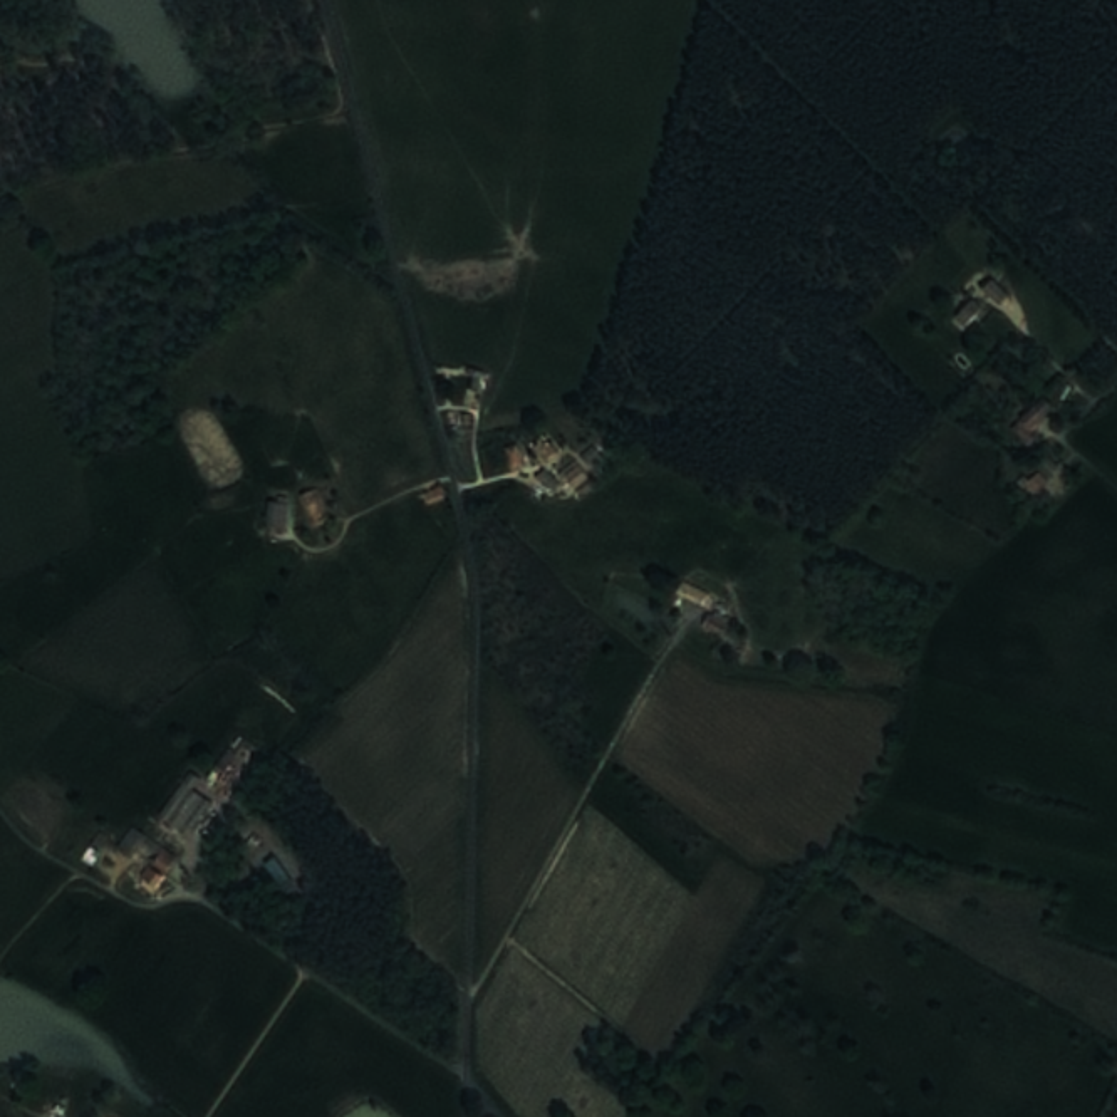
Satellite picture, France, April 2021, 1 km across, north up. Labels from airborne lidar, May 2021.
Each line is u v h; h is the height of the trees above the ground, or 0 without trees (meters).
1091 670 0
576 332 0
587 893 0
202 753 14
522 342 0
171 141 23
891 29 17
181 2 21
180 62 0
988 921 0
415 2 0
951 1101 0
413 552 0
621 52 0
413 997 13
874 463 16
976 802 0
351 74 0
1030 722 0
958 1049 0
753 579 0
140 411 15
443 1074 0
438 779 0
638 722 0
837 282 14
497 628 7
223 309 15
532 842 0
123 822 0
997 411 10
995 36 19
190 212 0
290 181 0
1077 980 0
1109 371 12
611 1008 0
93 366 17
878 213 18
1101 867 0
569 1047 0
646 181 0
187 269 18
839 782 0
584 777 0
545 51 0
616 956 0
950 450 0
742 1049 0
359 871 22
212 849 12
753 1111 8
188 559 0
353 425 0
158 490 0
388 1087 0
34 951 0
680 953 0
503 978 0
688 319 18
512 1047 0
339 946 21
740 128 16
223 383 0
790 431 18
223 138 16
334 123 0
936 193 18
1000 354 10
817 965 0
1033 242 15
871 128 18
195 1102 0
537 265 0
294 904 13
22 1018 0
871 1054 0
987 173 12
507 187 0
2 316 0
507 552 8
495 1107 0
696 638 0
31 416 0
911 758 0
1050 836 0
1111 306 16
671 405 18
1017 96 19
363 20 0
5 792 0
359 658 0
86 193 0
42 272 0
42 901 0
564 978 0
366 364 0
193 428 0
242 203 0
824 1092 0
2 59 18
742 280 18
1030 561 0
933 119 19
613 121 0
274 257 27
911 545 0
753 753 0
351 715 0
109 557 0
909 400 15
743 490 18
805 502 17
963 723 0
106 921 0
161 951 0
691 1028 7
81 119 22
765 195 19
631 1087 16
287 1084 0
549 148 0
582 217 0
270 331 0
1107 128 17
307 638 0
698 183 14
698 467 18
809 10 17
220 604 0
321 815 20
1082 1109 0
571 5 0
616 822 0
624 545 0
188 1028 0
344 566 0
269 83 13
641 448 15
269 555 0
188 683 0
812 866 11
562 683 9
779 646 0
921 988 0
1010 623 0
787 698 0
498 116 0
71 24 18
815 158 18
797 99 18
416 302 0
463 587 0
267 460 0
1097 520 0
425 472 0
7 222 18
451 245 0
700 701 0
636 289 15
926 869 6
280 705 0
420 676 0
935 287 0
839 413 18
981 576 0
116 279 10
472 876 0
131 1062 0
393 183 0
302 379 0
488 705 0
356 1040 0
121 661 0
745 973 9
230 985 0
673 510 0
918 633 16
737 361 16
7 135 26
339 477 0
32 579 0
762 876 0
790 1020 16
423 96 0
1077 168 16
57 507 0
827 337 17
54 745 0
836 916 0
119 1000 0
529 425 10
